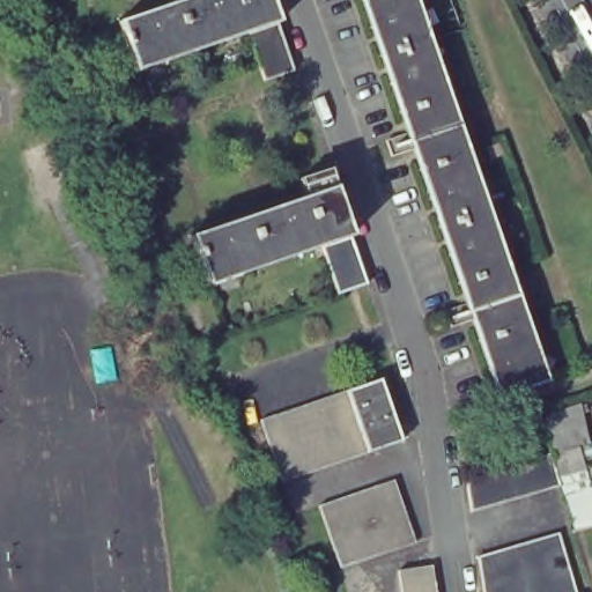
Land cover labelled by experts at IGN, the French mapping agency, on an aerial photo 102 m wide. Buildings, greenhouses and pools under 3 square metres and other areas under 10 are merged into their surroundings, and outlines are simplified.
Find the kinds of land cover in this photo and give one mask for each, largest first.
<instances>
[{"label":"impervious surface","instance_id":"1","mask_svg":"<svg viewBox=\"0 0 592 592\"><path fill-rule=\"evenodd\" d=\"M284 35L296 62V72L315 99V162L324 160L328 167H335L342 178V185L352 197L354 213L361 224V236L356 241L370 275V287L372 303L379 315V324L372 326L368 333L363 331L340 338L326 335L319 347L305 349L268 363L245 370L238 372V377L252 379L257 384V391L250 395L245 412L247 423L254 432L261 426V419L266 416H275L340 393V389H333L326 377L328 356L338 349L358 347L370 358L372 354L386 349L389 358L398 365V372L405 379L407 393L416 412V428L405 432L407 442L398 449L368 453L315 474H305L296 467L284 476L278 474L271 497L280 504V513L284 516L289 509H303V513L310 506L321 509L326 502H335L375 486L393 481L398 483L409 523L416 534V546L368 560L361 564V569L370 576L379 592H398V571L416 567H435L439 592H488L486 574L474 580L472 571H467L469 562L479 553L500 550L555 532L562 534H567L574 527L569 502L560 488L548 495H539L530 502L518 500V504L506 506L504 511L481 513L474 506V513H469L463 495L465 483L458 479L460 467L451 432L446 428V412L451 407L469 405V391L479 386L476 372L474 358H469V349H463L467 338L465 333H460L465 326H472L467 319L456 317L460 301H453L444 278L439 247L444 245L432 206H419L416 187L407 169V164L414 160L409 148L395 146L398 141H407V132L402 130V116L389 76L384 72L377 42L372 37L361 35L356 14L352 9V0H282ZM548 19L562 28V37L567 42V46L562 51H553V56L555 67L560 69H567L569 62L587 69L592 67V0H548ZM21 83L14 79V74L7 79L0 76V125L14 113H21ZM49 213L53 215L67 245L76 254L81 264V275H67L56 271H23L5 275L0 271V592H171L167 546L160 516L155 449L150 430L146 426V416H155L160 421L171 446V453L176 456L180 472L185 474L194 493L197 504L210 506L215 502V490L185 435L180 419L167 400L162 370L141 354L143 342L153 338V331H143L139 335L134 333L130 317L139 315V305H109V298L102 287L104 266L83 245L74 227L69 224L67 204L62 194L46 206ZM328 259V250L321 243L317 247L296 252L294 257L308 259Z\"/></svg>","mask_w":592,"mask_h":592},{"label":"herbaceous vegetation","instance_id":"2","mask_svg":"<svg viewBox=\"0 0 592 592\"><path fill-rule=\"evenodd\" d=\"M169 0H44V5L65 12V19L72 25L74 44L93 49L97 39H111L120 30V21L127 14L164 5ZM352 9L356 14L361 35L372 37L363 0H352ZM432 14V25L456 95L465 113V123L469 127L525 296L530 301L541 342L553 368H567V356L560 335L550 324V308L555 301L574 303L580 331L587 342H592V173L587 171L585 155L578 148V143L569 146L567 132H562L567 123L557 111L555 97L546 79L532 56V42L523 25V19L518 21L516 14L511 12L506 0H426ZM500 134H506V143L523 176L543 245L550 252V257L541 266L532 257L530 234L516 206L506 167L502 157L493 150V141ZM278 83L280 102L291 120L284 125L280 134L266 136L259 123L266 118L261 102L271 83L261 79V72L257 67H224L222 81L213 86L210 95L204 102H199V97L192 95L190 88L183 83L180 69H171V65L139 69L125 83V97L139 102H153L155 97L169 99L173 106V118L178 123L169 125L157 123L153 118H141L127 125L116 136V141L127 153L130 164L146 162L148 173L153 178L155 194L150 206V236L169 252L185 236L183 222H187L197 231L303 197V183L289 180L282 187L261 185L247 190L243 183L247 171L245 167H238L234 173L227 176L210 173L208 157L210 146L220 136L238 139L247 148V153H280L284 162L296 167V171L303 176L310 173L308 169L315 162V99L296 72L287 74ZM21 113H14L0 125V271L5 275L23 271H56L67 275H81V264L76 254L67 245L53 215L49 213H42L32 206L28 190V167L23 160L28 148L39 146V134L35 130H23V125L19 123ZM407 169L416 187L419 206H432L421 169L414 160L407 164ZM444 278L453 301H460L463 291L449 250L444 245L439 247ZM317 271L308 259L294 257L243 273L238 278L236 289L224 291L222 287H217L215 301H194L187 308V315L192 317L197 328L210 331L208 377L215 382L220 393L236 405V423L243 442L252 451H261L266 442H257L254 432L247 423L245 412L250 395L257 391V384L252 379L238 377V372L245 370L241 361L247 358V345L257 342V338H264L268 342V354L264 356V361L268 363L305 349L301 345V331H308V319H321L326 326V335L340 338L363 331L354 315L349 294H338L335 301H328L310 294L312 275ZM294 294L305 301L301 315H294L291 319H284L280 324L254 321L250 331L229 333L231 310H271L275 305L287 303V298H291ZM361 303L365 308L368 324L372 326L379 324V315L372 303L370 287L361 289ZM460 333H465L467 338L463 349H469V358H474L476 372L488 368L476 331L472 326H465ZM375 379L384 377L389 382L405 432L416 428V412L407 393L405 379L398 372V365L389 358L386 349L372 354L370 358ZM571 377L550 380L548 386H541L534 393L541 400L571 394ZM167 400L180 419L185 435L215 490V502L210 506L197 504L194 493L185 474L180 472L176 456L171 453V446L160 421L155 416H146V426L150 430L155 449L160 516L167 546L171 592H278V580L266 555L254 562H243L234 569L227 567L220 557L213 560L210 534L213 530H217L215 513L236 490V476L229 469V463L234 460L231 439H227L222 430L215 428L194 405H187L185 386L180 382H164ZM308 518L303 543L310 546L317 541H328V527L321 509L310 506L303 513ZM567 553L571 557L578 592H592V527H574L567 534H562Z\"/></svg>","mask_w":592,"mask_h":592},{"label":"building","instance_id":"3","mask_svg":"<svg viewBox=\"0 0 592 592\"><path fill-rule=\"evenodd\" d=\"M120 30L134 53L139 69L171 65L173 56H183L190 51L199 53L220 44H238L243 35H252L264 62V67H257L261 72V79L271 83H278L287 74L296 72V62L284 35L282 0H169L164 5L127 14L120 21ZM372 37L377 42L384 72L389 76L402 116V130L407 132V141H398L395 146L409 148L414 160L421 169L432 206L444 245L449 250L463 291L460 301L456 317L467 319L472 326L476 331L488 368L493 372L495 389L527 386L534 393L541 386H548L550 380L553 368L541 342L530 301L525 296L469 127L465 123V113L456 95L432 25V14L426 0H363ZM310 173L303 176V197L197 231V250L204 257L210 284L217 287H222L224 291L236 289L238 278L243 273L294 257L296 252L317 247L321 243L328 250V259L333 268L331 282L338 294H349L356 284L361 289L370 287V275L356 241L361 236V224L354 213L352 197L342 185V178L335 167H328L324 160L315 162L308 169ZM257 442H266L261 451L275 463L278 474L284 476L296 467L305 474H315L368 453L398 449L407 442L405 432L389 382L384 377L375 379L340 393L275 416H266L261 419V426L254 432ZM539 453L548 456V465H539L537 469H530L513 479H495L481 486L465 483L463 495L469 513H474V506L481 513L504 511L506 506L518 504V500L530 502L539 495H548L560 488L569 502L574 527H592V402L541 412L537 416ZM328 527V541L345 578L361 569V564L368 560L416 546V534L409 523L398 483L393 481L375 486L335 502H326L321 509ZM467 571H472L474 580L486 574L488 592H578L571 557L567 553L562 534L555 532L500 550L479 553L469 562ZM398 592H439L435 567H416L398 571Z\"/></svg>","mask_w":592,"mask_h":592},{"label":"deciduous trees","instance_id":"4","mask_svg":"<svg viewBox=\"0 0 592 592\"><path fill-rule=\"evenodd\" d=\"M139 69L134 53L120 30L111 39H97L93 49L74 44L72 25L65 19V12L44 5V0H0V76L7 79L14 74V79L21 83V113L19 123L23 125V130H35L39 134V146H44L46 155L51 157L53 171L62 185V194L67 204L69 224L74 227L83 245L104 266L102 287L109 298V305H139V315L130 317L134 333L139 335L143 331H153V338L143 342L141 354L162 370L164 382H180L185 386L187 405H194L215 428L222 430L227 439H231L234 460L229 463V469L236 476V490L215 513L217 530H213L210 534L213 560L220 557L227 567L234 569L243 562H254L266 555L278 580V592H347L345 578L328 541H317L310 546L303 543L308 518L303 513V509H289L284 516L280 513V504L271 497L278 474L275 463L261 451H252L243 442L236 423V405L220 393L215 382L208 377L210 331L197 328L192 317L187 315V308L194 301H215L217 287L210 284L204 257L197 250V231L187 222H183L185 236L169 252L150 236V206L155 194L153 178L148 173L146 162L130 164L127 153L116 141V136L127 125L141 118H153L157 123L169 125L178 123L173 118V106L169 99L155 97L153 102H139L125 97V83ZM264 67V62L252 35H243L238 44H220L199 53L190 51L183 56H173L171 65V69H180L183 83L190 88L192 95L199 97V102H204L210 95L213 86L222 81L224 67ZM266 118L259 123L266 136L280 134L284 125L291 120L280 102L278 83H271L261 102ZM210 173L227 176L234 173L238 167H245L247 171L243 183L247 190L261 185L282 187L289 180L303 183V176L296 171V167L284 162L280 153H247V148L238 139L220 136L210 146L208 157ZM317 271L312 275L310 294L328 301H335L338 294L331 282L333 268L328 259H308ZM326 335V326L321 319H308V331H301V345L305 349L319 347ZM268 354V342L264 338H257V342L247 345V358L241 361L245 370L268 363L264 361V356ZM326 377L333 389H340V393L375 379L370 358L358 347L338 349L328 356ZM479 386L469 391V405L451 407L446 412V428L451 432L460 467L458 479L465 483L481 486L495 479H513L530 469H537L539 465H548V456L539 453L537 416L541 412V400L527 386L495 389L493 372L488 368L476 372Z\"/></svg>","mask_w":592,"mask_h":592},{"label":"brushwood","instance_id":"5","mask_svg":"<svg viewBox=\"0 0 592 592\"><path fill-rule=\"evenodd\" d=\"M518 21L523 19V25L532 42V56L546 79L560 81V69L555 67L553 56L546 51L537 25L527 7L516 14ZM557 111L567 123L562 132H567L569 146L578 143V148L585 155L587 171L592 173V139L583 141L574 123V116L564 104V97H555ZM493 150L502 157L506 167L516 206L530 234L532 257L541 266L550 257V252L543 245L523 176L506 143V134H500L493 141ZM305 301L294 294L291 298H287V303L275 305L271 310H231L229 333L250 331L254 321L280 324L284 319H291L294 315H301ZM550 324L560 335L567 356V368H553L550 380L571 377V394L541 400V412L592 402V342H587L580 331L574 303L555 301L550 308Z\"/></svg>","mask_w":592,"mask_h":592},{"label":"pervious surface","instance_id":"6","mask_svg":"<svg viewBox=\"0 0 592 592\"><path fill-rule=\"evenodd\" d=\"M511 12L516 14L527 7L537 25L548 19V0H506ZM574 123L583 141L592 139V109L583 116H574ZM23 160L28 167V190L32 206L42 213H49L46 206L62 194V185L53 171L51 157L46 155L44 146H39L28 148ZM354 315L363 331L368 333L372 326L368 324L365 308L361 303V289L356 284L349 294ZM347 592H379L370 576L361 569L345 578Z\"/></svg>","mask_w":592,"mask_h":592},{"label":"coniferous trees","instance_id":"7","mask_svg":"<svg viewBox=\"0 0 592 592\"><path fill-rule=\"evenodd\" d=\"M546 51L553 56V51H562L567 46V42L562 37V28L548 19L537 25ZM555 97H564V104L574 116H583L592 109V67L587 69L569 62L567 69H560V81L546 79Z\"/></svg>","mask_w":592,"mask_h":592}]
</instances>
